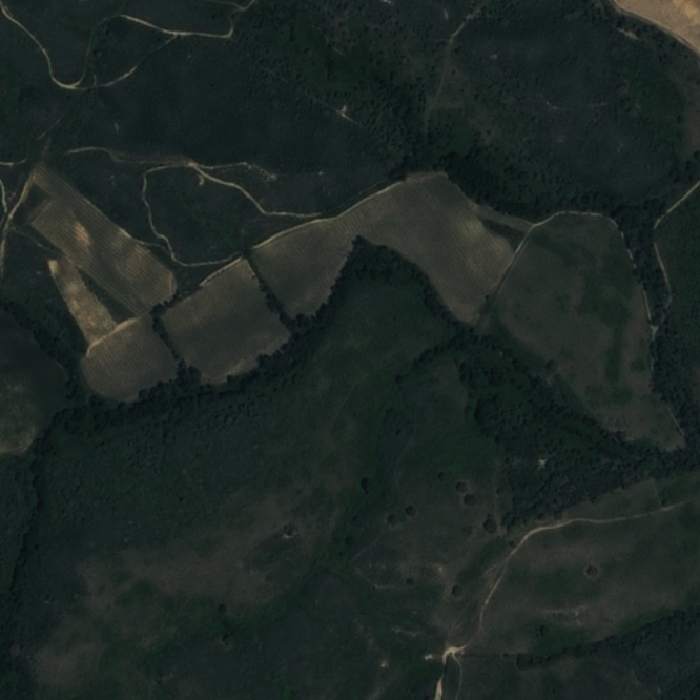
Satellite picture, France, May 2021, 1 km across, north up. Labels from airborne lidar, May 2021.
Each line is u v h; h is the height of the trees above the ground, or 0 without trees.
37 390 0
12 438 0
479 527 0
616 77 6
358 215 0
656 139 8
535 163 9
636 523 0
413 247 0
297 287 0
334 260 0
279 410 0
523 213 18
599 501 10
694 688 9
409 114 23
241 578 0
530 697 0
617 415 0
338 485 0
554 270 0
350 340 0
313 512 0
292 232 0
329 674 0
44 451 10
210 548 0
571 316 0
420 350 0
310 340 14
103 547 0
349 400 0
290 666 0
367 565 0
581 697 0
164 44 8
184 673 0
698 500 0
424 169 11
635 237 25
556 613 0
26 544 11
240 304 0
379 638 0
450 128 7
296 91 7
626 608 0
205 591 0
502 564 0
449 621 0
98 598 0
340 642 0
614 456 13
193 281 6
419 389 0
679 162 8
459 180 15
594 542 0
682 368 25
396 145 10
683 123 9
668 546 0
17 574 12
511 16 6
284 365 26
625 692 0
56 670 0
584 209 7
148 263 0
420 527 0
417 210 0
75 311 0
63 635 0
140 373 0
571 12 6
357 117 6
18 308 14
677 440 0
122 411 13
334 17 6
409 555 0
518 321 0
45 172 0
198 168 0
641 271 11
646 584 0
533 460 7
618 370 0
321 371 0
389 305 0
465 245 0
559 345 0
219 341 0
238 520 0
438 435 0
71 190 0
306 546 0
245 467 0
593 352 0
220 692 0
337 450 0
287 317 12
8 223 0
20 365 0
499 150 9
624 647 8
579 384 0
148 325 0
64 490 7
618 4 0
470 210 0
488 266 0
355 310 0
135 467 7
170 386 17
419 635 0
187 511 0
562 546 0
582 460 8
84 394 21
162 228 0
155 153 0
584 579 0
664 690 6
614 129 0
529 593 0
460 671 0
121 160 0
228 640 10
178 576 0
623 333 0
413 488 0
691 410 11
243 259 12
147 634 0
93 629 0
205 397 22
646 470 11
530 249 0
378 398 0
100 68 6
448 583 0
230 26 0
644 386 0
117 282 0
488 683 0
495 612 0
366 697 0
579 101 0
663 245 0
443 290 0
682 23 0
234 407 8
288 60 8
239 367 0
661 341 12
